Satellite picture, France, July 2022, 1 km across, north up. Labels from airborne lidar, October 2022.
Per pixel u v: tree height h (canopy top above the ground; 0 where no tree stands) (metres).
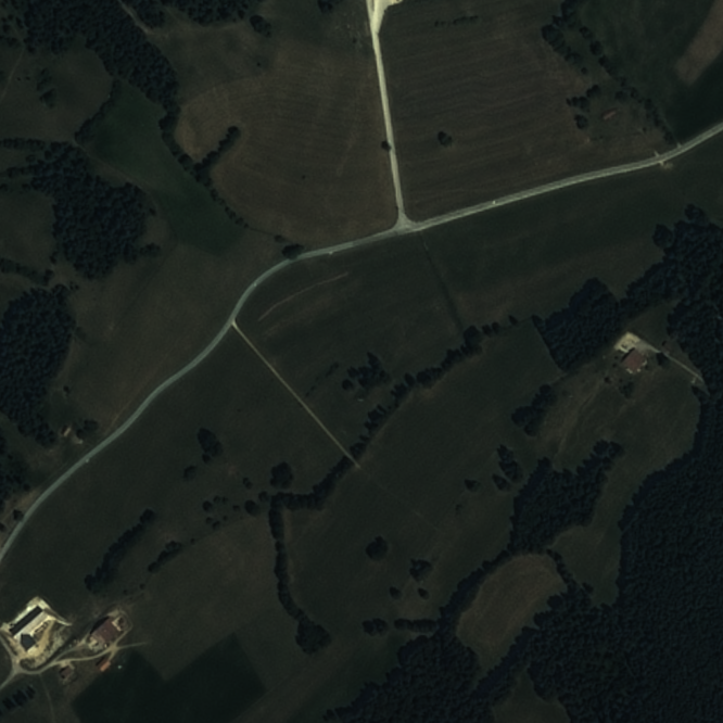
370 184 0
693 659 21
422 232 0
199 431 0
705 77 0
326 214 0
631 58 0
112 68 23
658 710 23
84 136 13
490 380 0
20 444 0
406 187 0
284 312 0
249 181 0
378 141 0
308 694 0
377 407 0
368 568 0
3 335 28
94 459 0
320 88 0
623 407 0
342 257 0
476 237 0
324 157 0
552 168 0
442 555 0
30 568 0
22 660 0
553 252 0
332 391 0
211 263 0
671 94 0
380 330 0
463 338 0
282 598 12
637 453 0
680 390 0
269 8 0
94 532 0
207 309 0
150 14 29
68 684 0
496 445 0
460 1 0
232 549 0
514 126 0
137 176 0
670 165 0
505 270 0
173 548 7
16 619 0
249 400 0
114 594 0
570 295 0
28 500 0
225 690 0
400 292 0
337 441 0
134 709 0
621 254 0
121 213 26
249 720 0
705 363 19
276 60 0
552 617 20
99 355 0
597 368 0
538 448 0
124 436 0
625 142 0
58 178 29
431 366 0
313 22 0
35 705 0
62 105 0
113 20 26
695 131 0
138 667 0
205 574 0
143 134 0
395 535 0
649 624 24
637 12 0
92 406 0
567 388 0
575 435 0
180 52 0
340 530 0
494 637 0
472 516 0
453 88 0
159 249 15
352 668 0
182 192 0
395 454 0
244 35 0
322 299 0
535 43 0
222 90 0
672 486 25
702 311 23
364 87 0
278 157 0
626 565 19
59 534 0
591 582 0
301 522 0
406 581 0
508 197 0
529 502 24
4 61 0
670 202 0
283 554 11
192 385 0
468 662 28
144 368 0
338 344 0
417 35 0
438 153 0
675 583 23
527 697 0
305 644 21
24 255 0
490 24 0
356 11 0
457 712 29
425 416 0
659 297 13
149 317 0
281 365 0
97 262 23
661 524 23
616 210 0
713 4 0
